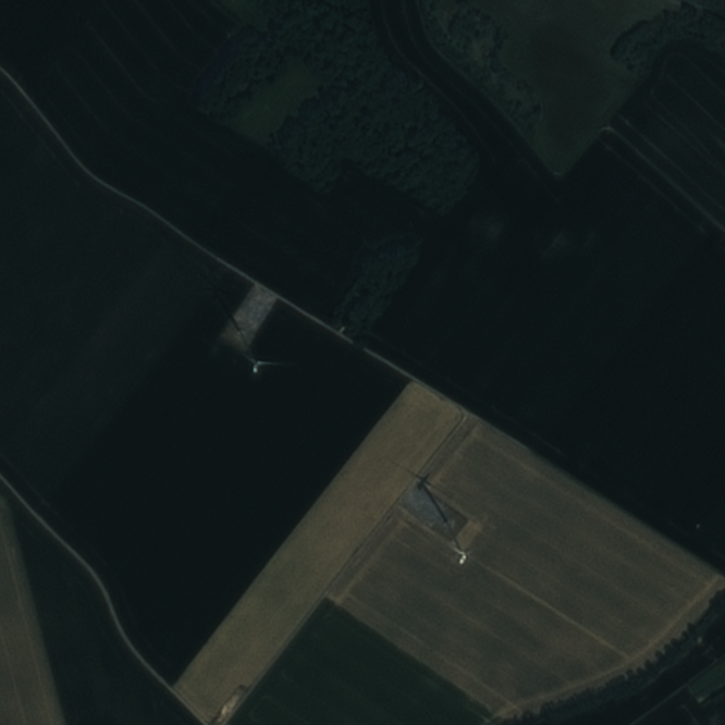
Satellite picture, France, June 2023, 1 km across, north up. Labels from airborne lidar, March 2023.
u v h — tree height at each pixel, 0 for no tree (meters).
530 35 0
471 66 8
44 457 0
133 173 0
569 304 0
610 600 0
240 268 0
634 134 0
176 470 0
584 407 0
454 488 0
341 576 0
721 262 0
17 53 0
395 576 0
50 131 0
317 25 25
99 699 0
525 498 0
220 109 14
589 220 0
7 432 0
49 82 0
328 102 26
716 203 0
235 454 0
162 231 0
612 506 0
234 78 24
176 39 0
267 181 0
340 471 0
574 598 0
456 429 0
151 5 0
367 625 0
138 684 0
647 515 0
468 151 26
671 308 0
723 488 0
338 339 0
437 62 0
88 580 0
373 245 0
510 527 0
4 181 0
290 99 0
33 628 0
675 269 0
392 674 0
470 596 0
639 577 0
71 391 0
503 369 0
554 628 0
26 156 0
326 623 0
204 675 0
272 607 0
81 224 0
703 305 0
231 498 0
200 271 0
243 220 0
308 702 0
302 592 0
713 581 0
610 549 0
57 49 0
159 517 0
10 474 0
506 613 0
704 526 0
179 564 0
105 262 0
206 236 0
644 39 7
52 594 0
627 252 0
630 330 0
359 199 0
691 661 0
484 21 12
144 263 0
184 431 0
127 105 0
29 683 0
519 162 0
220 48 0
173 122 0
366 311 21
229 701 0
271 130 0
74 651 0
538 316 0
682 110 0
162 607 0
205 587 0
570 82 0
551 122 0
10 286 0
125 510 0
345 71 15
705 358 0
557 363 0
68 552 0
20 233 0
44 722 0
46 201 0
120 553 0
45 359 0
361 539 0
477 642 0
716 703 0
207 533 0
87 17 0
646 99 0
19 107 0
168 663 0
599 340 0
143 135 0
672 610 0
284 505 0
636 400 0
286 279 0
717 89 0
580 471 0
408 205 0
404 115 32
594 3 0
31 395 0
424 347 0
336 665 0
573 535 0
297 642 0
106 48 0
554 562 0
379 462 0
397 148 30
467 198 0
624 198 0
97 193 0
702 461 0
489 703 0
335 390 0
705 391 0
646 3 0
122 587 0
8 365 0
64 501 0
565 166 0
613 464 0
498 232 0
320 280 0
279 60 23
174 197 0
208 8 0
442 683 0
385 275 22
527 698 0
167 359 0
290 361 0
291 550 0
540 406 0
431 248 0
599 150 0
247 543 0
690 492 0
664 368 0
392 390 0
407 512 0
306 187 0
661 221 0
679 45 0
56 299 0
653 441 0
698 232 0
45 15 0
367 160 21
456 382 0
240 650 0
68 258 0
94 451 0
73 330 0
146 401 0
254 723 0
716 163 0
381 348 0
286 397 0
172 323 0
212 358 0
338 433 0
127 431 0
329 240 0
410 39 0
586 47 0
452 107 0
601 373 0
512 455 0
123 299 0
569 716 0
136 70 0
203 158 0
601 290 0
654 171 0
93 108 0
